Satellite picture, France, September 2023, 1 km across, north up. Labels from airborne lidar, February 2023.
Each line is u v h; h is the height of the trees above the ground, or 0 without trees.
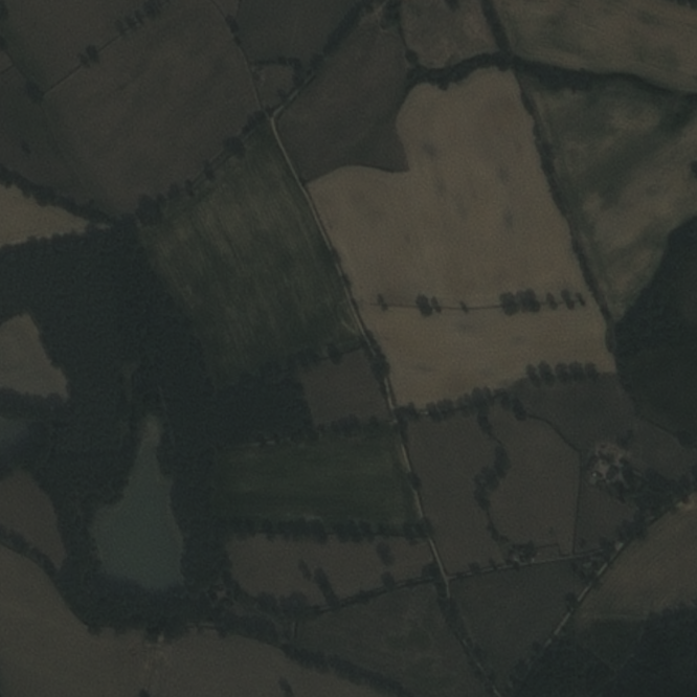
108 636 0
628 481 14
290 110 0
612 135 0
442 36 0
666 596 0
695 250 8
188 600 16
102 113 0
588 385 0
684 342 0
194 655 0
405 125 0
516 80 0
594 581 15
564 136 0
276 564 0
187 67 0
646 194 0
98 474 18
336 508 0
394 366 0
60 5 0
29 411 24
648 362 0
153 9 15
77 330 17
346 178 0
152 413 0
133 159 0
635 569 0
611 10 0
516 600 0
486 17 15
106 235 13
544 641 0
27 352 0
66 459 22
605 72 0
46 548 0
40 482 23
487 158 0
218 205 0
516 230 0
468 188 0
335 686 0
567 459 0
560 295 0
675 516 0
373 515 0
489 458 0
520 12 0
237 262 0
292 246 0
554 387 0
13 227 0
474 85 0
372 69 0
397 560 0
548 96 0
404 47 0
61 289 15
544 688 8
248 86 0
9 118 0
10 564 0
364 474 0
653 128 0
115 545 0
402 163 0
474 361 0
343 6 0
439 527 0
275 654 0
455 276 0
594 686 11
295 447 0
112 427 14
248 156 0
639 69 0
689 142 0
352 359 0
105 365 15
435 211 0
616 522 0
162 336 16
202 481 21
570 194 0
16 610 0
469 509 0
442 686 0
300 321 0
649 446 0
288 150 0
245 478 0
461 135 0
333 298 0
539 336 0
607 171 0
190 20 0
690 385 0
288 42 0
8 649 0
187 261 0
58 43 0
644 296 10
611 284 0
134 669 0
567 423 0
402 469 0
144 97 0
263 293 0
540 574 0
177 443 8
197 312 0
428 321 0
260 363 0
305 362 18
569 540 0
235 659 0
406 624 0
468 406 17
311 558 0
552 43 0
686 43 0
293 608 20
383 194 0
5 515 0
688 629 10
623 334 14
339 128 0
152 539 0
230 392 14
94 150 0
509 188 0
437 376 0
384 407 0
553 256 0
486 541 0
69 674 0
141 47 0
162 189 0
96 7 0
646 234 0
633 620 0
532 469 0
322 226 0
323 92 0
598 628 0
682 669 22
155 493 0
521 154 0
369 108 0
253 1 0
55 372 0
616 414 0
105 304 15
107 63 0
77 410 15
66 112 0
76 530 19
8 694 0
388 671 0
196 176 0
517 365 0
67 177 0
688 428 0
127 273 15
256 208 0
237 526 17
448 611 19
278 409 14
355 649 0
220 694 0
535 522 0
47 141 0
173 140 0
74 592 18
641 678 22
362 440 0
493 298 0
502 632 0
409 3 0
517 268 0
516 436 0
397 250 0
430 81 7
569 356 0
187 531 13
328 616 0
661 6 0
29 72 0
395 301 0
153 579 0
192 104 0
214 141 0
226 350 0
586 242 0
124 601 23
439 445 0
